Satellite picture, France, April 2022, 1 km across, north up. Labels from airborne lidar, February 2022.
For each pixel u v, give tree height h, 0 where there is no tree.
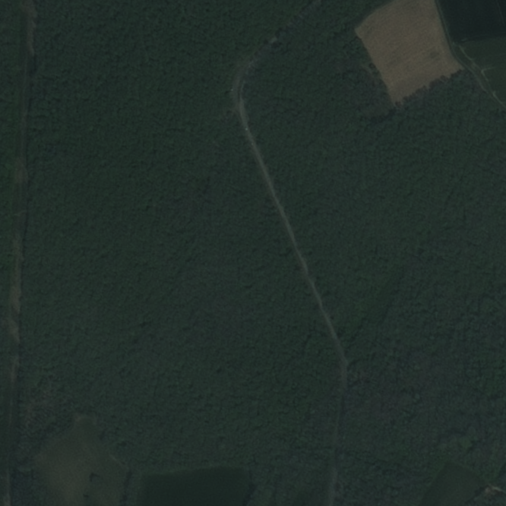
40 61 23
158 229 23
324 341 23
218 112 24
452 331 12
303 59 27
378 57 0
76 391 28
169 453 24
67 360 25
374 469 24
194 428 28
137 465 27
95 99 24
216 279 23
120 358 24
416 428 23
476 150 23
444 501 0
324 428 24
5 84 22
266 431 22
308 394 20
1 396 26
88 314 25
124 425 22
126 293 24
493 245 27
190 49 25
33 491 26
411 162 23
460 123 22
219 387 25
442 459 17
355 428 20
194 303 23
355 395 18
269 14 25
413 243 22
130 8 26
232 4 23
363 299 23
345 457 25
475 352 23
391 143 24
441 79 0
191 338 26
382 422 19
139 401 23
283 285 22
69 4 20
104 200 23
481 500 23
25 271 21
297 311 23
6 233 23
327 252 23
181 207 25
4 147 23
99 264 23
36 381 21
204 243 28
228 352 23
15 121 12
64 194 24
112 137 23
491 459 29
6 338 12
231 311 25
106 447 25
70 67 24
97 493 0
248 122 0
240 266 23
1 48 23
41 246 26
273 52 23
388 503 28
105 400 26
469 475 0
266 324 24
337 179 25
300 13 0
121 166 23
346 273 26
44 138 24
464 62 0
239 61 20
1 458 7
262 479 26
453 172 24
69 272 28
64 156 28
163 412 23
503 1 0
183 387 25
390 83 0
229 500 0
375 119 0
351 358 23
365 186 27
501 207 24
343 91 25
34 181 24
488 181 28
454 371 29
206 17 23
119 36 21
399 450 25
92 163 25
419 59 0
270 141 23
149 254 23
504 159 27
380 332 19
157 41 23
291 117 27
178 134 23
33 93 14
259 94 25
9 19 22
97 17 26
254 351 22
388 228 27
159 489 0
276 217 22
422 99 26
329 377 25
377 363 26
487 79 0
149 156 21
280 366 23
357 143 14
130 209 24
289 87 25
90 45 26
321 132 24
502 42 0
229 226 21
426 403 34
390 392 25
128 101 25
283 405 23
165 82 27
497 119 23
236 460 24
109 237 24
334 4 23
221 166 23
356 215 25
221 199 26
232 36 25
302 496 0
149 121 23
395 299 16
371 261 22
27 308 18
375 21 0
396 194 23
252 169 23
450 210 24
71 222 23
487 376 25
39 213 20
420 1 0
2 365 7
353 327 14
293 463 27
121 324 23
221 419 21
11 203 15
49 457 0
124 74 24
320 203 26
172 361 21
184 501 0
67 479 0
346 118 28
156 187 25
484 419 27
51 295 23
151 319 20
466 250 26
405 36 0
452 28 0
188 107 26
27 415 28
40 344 23
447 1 0
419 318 24
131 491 26
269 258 23
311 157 25
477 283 26
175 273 23
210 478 0
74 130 26
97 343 25
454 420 7
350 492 27
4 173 25
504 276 27
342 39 30
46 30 22
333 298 25
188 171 21
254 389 22
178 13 25
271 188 0
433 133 27
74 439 0
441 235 30
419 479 19
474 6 0
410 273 27
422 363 26
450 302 26
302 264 0
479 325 23
